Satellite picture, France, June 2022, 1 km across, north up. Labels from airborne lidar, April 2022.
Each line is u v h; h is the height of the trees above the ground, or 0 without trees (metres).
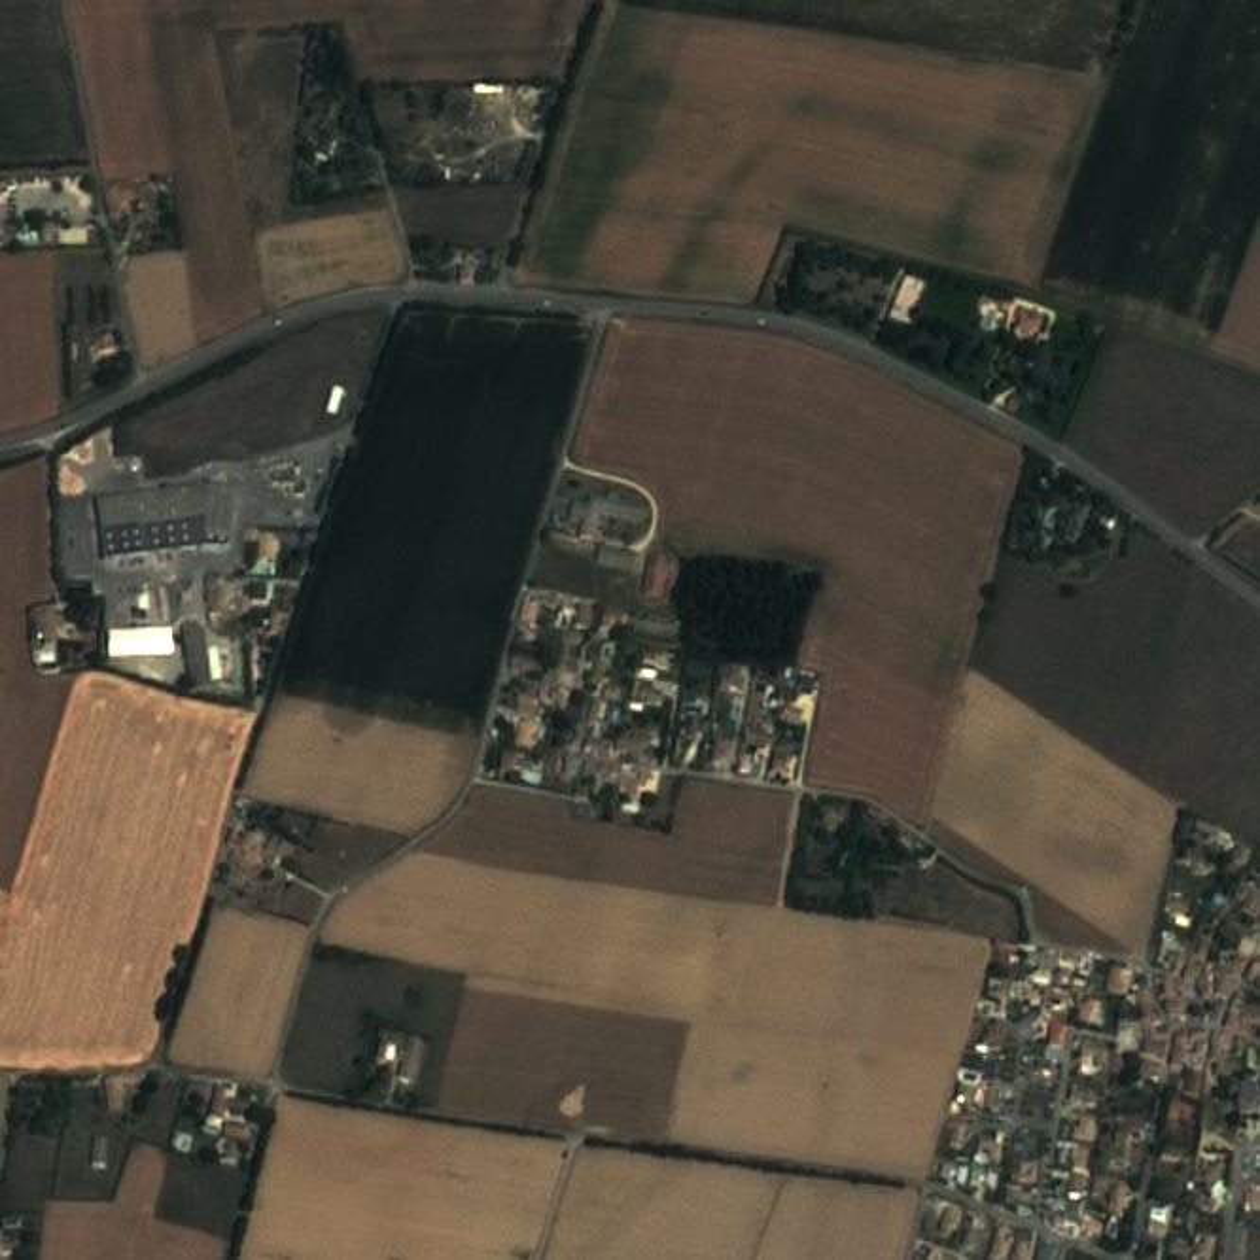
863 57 0
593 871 0
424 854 0
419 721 0
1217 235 0
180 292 0
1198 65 0
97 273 0
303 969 0
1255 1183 0
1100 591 0
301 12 0
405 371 0
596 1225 0
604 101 0
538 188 14
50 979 0
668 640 0
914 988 0
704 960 0
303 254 0
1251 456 0
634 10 0
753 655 6
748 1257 0
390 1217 0
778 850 0
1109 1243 9
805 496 0
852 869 7
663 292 0
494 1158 0
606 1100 0
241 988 0
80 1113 0
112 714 0
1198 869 0
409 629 0
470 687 0
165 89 0
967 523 0
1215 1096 8
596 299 0
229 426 0
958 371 18
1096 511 14
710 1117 0
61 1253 0
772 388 0
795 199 0
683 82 0
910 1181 0
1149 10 0
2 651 0
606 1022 0
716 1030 0
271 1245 0
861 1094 0
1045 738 0
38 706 0
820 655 0
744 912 0
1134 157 0
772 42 0
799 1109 0
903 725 0
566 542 0
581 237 0
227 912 0
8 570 0
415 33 0
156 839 0
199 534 0
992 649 0
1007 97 0
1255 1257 0
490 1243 0
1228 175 0
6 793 0
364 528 0
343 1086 0
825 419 0
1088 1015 0
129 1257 0
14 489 0
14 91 0
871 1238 0
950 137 0
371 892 0
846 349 0
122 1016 0
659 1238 0
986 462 0
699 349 0
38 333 0
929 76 0
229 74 0
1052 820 0
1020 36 0
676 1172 0
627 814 0
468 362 0
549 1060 0
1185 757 0
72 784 0
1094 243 0
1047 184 0
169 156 0
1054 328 8
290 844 7
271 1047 0
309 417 0
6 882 0
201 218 0
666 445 0
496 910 0
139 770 0
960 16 0
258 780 0
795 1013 0
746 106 0
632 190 0
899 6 0
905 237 0
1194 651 0
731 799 0
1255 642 0
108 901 0
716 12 0
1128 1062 12
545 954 0
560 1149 0
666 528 0
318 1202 0
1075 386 10
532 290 0
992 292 12
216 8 0
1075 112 0
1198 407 0
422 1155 0
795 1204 0
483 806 0
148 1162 0
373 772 0
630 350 0
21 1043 0
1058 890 0
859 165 0
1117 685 0
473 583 0
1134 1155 0
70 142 0
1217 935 6
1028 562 8
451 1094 0
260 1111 17
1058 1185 0
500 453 0
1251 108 0
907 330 15
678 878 0
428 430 0
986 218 0
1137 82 0
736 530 0
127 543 0
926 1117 0
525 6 0
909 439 0
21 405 0
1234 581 0
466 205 0
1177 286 0
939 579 0
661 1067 0
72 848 0
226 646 0
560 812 0
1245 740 0
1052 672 0
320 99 6
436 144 0
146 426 0
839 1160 0
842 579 0
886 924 0
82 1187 0
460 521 0
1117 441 0
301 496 0
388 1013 0
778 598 10
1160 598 0
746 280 0
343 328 0
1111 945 0
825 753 0
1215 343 0
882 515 0
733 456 0
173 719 0
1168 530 0
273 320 0
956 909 0
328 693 0
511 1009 0
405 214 0
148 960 0
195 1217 0
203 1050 0
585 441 0
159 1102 0
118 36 0
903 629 0
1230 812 0
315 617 0
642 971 0
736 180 0
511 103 0
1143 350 0
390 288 0
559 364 0
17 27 0
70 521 0
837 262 18
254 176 0
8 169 10
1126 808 0
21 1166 0
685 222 0
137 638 0
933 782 0
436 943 0
